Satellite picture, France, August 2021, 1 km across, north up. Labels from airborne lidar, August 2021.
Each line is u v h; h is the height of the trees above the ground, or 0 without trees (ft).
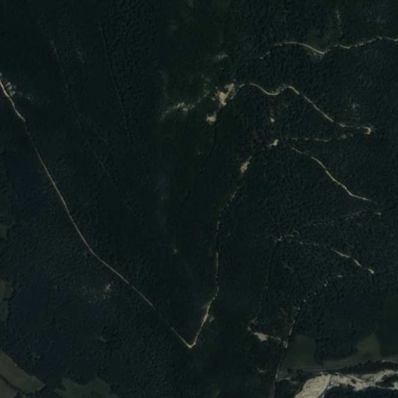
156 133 26
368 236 82
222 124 70
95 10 59
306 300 75
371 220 79
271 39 53
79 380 52
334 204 54
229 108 48
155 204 38
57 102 50
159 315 65
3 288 0
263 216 56
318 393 0
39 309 63
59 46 44
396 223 55
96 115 50
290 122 57
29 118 36
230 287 54
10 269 59
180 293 43
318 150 35
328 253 87
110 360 68
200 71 39
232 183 49
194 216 72
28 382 0
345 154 33
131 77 66
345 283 83
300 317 50
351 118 29
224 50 31
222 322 48
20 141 63
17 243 45
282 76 97
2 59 33
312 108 43
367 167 47
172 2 33
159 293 49
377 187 48
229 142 83
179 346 41
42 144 49
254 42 46
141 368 63
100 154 45
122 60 71
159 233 33
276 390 31
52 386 58
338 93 44
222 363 68
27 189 51
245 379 48
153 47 53
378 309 47
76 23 40
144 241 44
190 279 33
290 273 89
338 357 46
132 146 39
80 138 36
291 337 56
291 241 35
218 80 47
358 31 38
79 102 43
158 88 40
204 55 44
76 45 28
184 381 37
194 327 31
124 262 54
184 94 33
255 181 61
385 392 53
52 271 20
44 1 44
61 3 41
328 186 45
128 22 48
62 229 42
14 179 52
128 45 68
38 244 45
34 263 29
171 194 46
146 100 64
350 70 37
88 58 30
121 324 45
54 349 60
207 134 41
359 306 73
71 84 41
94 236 42
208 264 60
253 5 64
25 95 25
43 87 31
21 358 60
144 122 56
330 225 82
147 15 72
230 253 59
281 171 56
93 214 52
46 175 26
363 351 0
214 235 49
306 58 71
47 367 63
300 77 74
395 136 35
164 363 34
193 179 58
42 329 53
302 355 0
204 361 44
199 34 52
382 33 46
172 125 53
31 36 60
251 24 65
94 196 38
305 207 66
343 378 0
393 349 0
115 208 49
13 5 51
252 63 60
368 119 40
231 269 55
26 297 62
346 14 38
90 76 34
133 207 54
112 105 54
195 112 36
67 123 37
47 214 44
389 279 74
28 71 43
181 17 28
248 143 68
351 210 33
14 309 43
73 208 27
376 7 34
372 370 31
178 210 54
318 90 53
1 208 47
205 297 44
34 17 48
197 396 25
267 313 42
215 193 58
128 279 39
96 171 36
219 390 59
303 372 38
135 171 49
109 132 29
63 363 61
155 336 40
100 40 55
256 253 56
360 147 56
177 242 41
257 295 46
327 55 36
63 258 33
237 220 47
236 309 51
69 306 75
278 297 43
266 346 46
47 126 42
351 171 42
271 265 40
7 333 20
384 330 0
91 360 61
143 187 47
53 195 37
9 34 73
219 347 57
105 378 56
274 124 18
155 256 40
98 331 66
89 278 30
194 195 62
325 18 74
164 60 34
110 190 47
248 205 55
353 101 39
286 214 75
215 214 44
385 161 48
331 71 74
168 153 53
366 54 32
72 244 32
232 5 40
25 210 52
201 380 39
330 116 26
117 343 52
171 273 40
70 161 43
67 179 29
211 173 70
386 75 54
